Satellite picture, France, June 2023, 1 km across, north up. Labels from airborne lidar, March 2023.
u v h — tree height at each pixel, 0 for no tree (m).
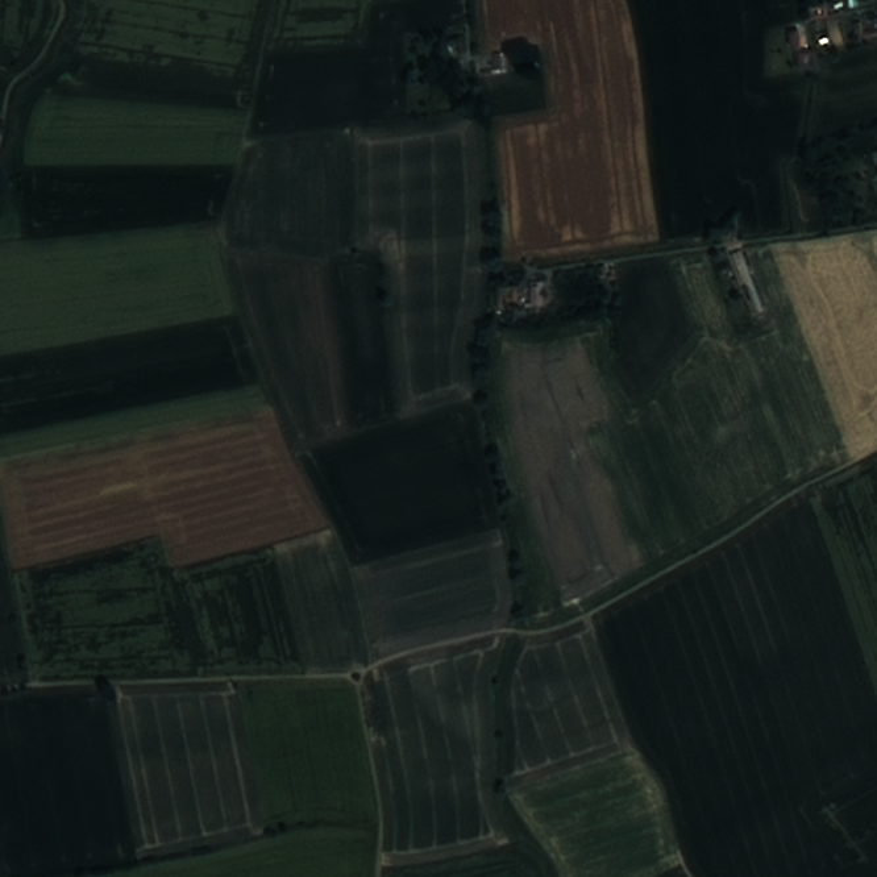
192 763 0
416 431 0
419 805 0
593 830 0
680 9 0
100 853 0
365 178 0
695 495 0
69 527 0
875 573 0
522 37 0
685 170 0
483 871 0
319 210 0
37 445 0
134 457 0
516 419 0
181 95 0
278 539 0
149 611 0
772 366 0
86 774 0
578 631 0
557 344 0
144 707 0
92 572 0
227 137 0
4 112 0
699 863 0
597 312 10
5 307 0
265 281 0
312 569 0
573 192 0
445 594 0
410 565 0
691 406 0
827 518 0
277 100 0
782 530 0
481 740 0
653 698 0
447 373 0
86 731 0
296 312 0
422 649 0
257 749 0
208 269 0
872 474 0
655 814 0
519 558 11
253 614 0
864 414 0
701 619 0
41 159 0
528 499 0
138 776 0
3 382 0
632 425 0
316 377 0
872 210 0
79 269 0
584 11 0
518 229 0
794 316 0
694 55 0
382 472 0
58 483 0
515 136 0
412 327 0
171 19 0
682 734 0
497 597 0
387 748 0
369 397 0
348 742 0
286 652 0
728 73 0
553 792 0
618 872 0
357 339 0
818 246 0
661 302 0
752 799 0
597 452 0
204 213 0
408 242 0
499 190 0
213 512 0
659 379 0
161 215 0
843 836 0
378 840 0
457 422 0
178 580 0
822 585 0
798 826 0
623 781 0
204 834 0
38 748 0
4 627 0
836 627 0
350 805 0
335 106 0
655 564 0
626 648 0
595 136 0
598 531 0
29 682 0
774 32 0
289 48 0
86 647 0
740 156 0
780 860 0
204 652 0
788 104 0
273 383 0
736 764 0
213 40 0
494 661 0
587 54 0
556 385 0
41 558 0
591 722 0
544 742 0
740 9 0
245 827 0
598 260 0
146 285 0
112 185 0
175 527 0
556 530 0
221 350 0
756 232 0
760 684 0
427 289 0
